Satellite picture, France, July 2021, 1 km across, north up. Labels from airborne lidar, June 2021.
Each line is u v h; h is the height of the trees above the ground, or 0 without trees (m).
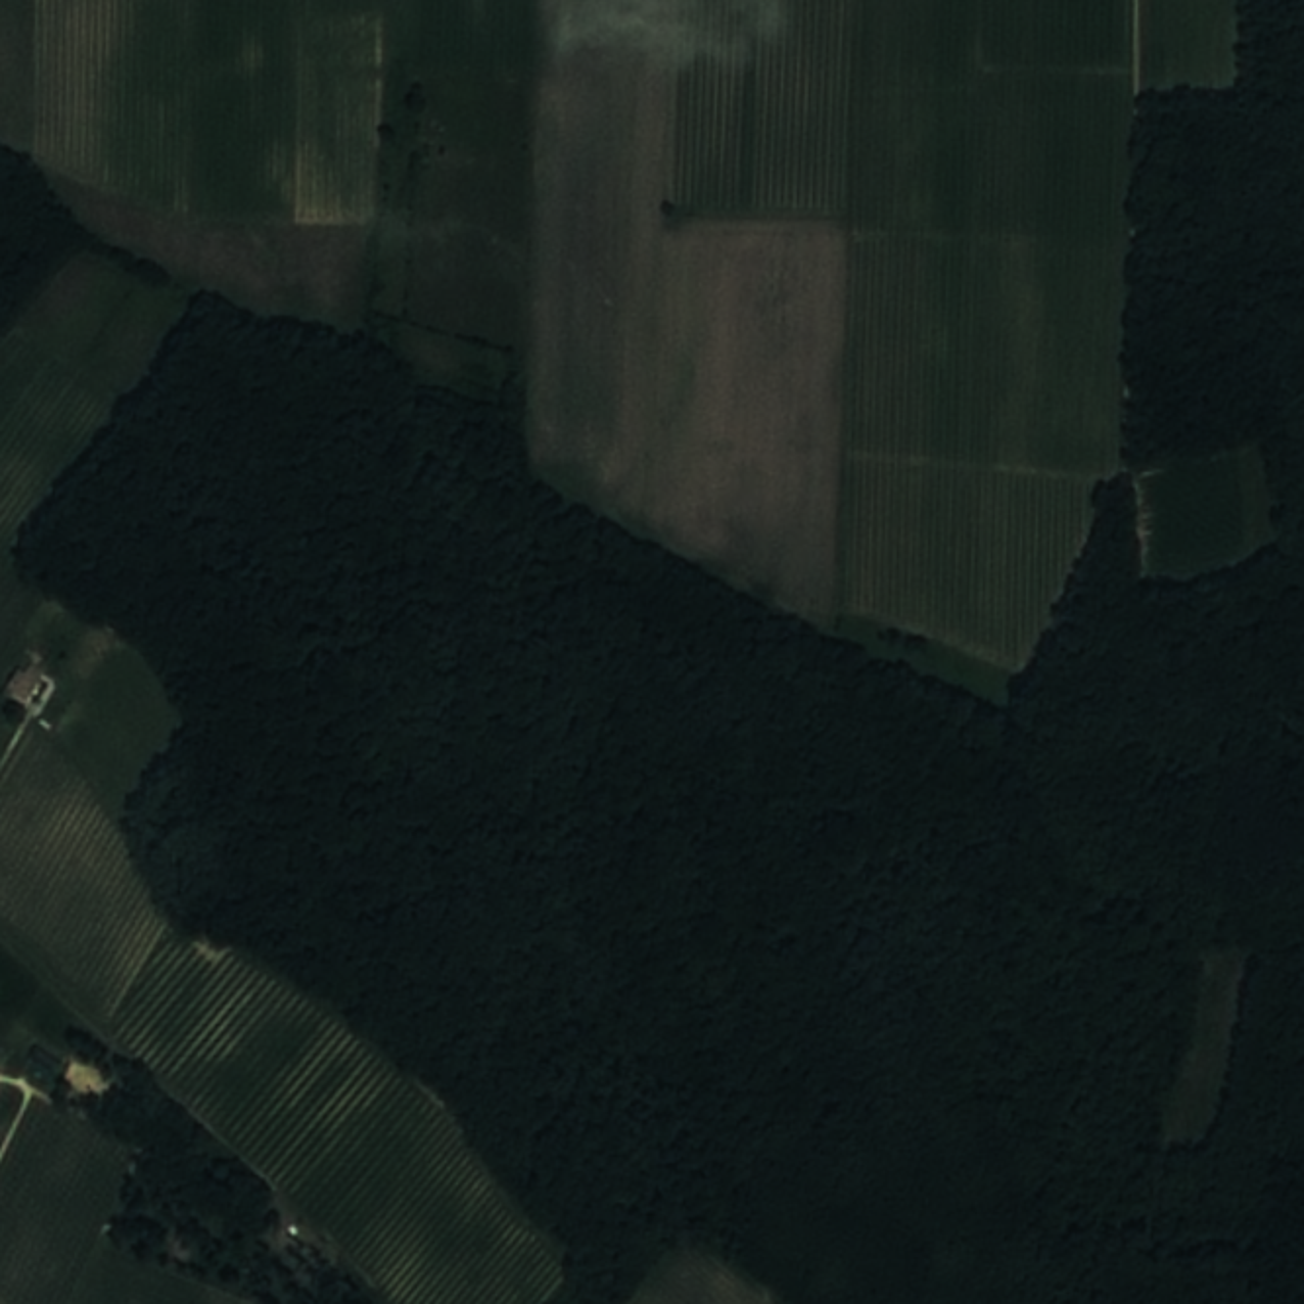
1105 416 0
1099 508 14
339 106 0
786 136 0
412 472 25
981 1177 16
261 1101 0
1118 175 0
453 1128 0
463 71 0
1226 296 22
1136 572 18
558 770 24
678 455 0
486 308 0
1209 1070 0
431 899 24
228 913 24
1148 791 20
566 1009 21
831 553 0
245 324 23
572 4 0
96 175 0
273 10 0
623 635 24
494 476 27
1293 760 19
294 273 0
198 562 24
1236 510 0
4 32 0
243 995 0
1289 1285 20
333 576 22
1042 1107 18
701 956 26
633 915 16
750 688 23
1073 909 17
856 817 25
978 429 0
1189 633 20
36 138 0
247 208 0
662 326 0
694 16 0
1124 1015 20
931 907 16
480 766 21
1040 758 24
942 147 0
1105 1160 15
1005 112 0
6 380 0
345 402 20
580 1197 17
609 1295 21
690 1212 27
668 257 0
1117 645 28
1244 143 20
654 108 0
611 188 0
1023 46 0
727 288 0
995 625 0
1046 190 0
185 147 0
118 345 0
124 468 22
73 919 0
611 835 22
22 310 15
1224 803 23
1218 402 25
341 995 16
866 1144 18
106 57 0
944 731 27
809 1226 16
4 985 0
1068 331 0
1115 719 33
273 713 26
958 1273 17
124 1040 0
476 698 23
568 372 0
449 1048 21
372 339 10
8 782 0
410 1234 0
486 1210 0
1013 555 0
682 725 22
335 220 0
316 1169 0
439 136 0
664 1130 23
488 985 26
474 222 0
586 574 22
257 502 24
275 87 0
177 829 23
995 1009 19
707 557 0
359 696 25
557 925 23
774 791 22
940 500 0
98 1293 0
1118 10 0
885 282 0
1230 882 20
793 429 0
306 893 24
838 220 0
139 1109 21
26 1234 0
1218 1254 22
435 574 25
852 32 0
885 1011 24
